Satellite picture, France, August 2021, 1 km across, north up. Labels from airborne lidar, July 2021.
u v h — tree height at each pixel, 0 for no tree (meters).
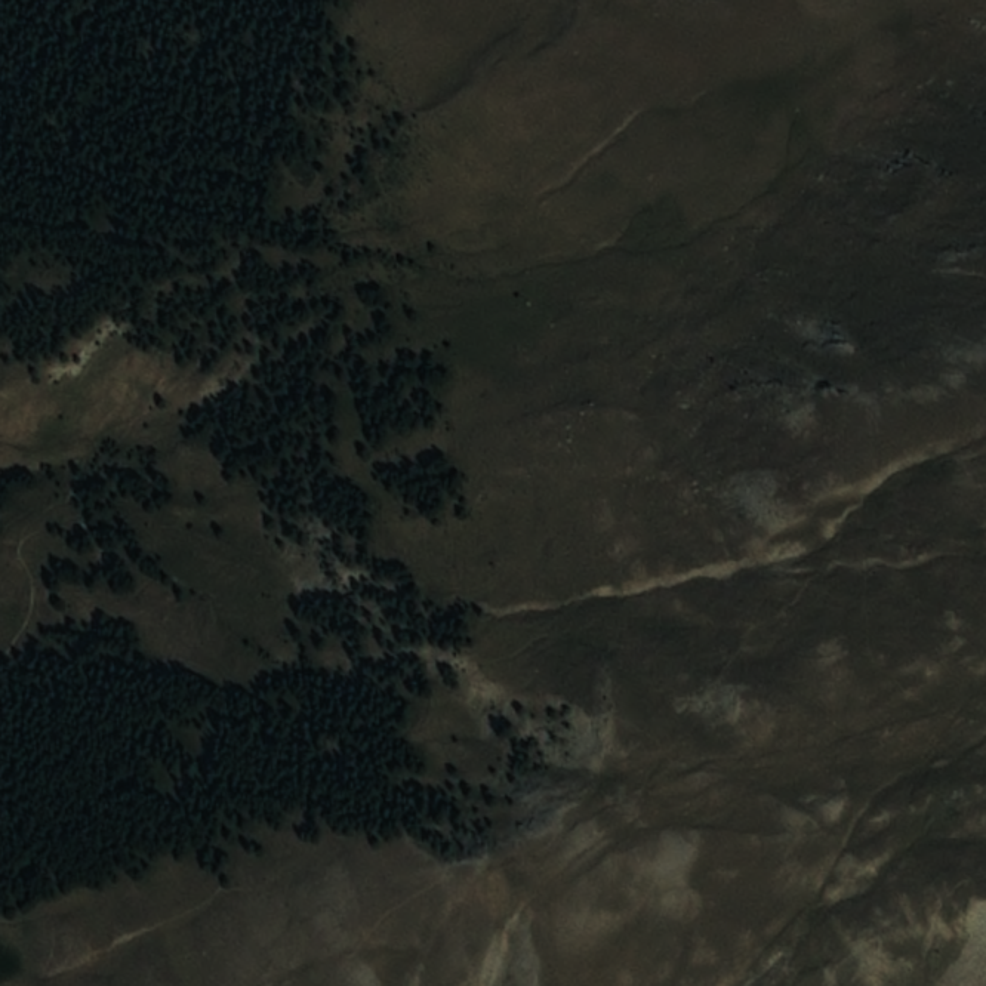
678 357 0
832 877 0
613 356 0
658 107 0
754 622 0
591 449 0
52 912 0
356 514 18
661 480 0
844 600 0
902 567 0
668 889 0
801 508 0
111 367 0
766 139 0
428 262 0
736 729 0
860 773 0
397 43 0
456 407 0
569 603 0
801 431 0
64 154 18
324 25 14
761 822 0
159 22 20
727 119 0
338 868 0
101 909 0
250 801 20
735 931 0
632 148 0
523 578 0
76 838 26
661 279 0
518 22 0
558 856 0
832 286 0
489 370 0
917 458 0
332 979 0
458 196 0
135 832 20
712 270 0
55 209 21
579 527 0
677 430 0
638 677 0
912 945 0
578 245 0
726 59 0
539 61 0
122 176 21
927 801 0
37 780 25
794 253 0
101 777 21
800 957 0
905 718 0
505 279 0
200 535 0
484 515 0
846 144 0
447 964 0
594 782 0
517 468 0
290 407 20
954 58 0
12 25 13
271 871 0
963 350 0
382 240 0
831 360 0
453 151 0
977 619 0
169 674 18
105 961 0
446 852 12
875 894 0
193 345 19
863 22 0
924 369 0
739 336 0
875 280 0
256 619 0
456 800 7
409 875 0
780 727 0
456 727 0
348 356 10
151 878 0
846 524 0
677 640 0
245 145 13
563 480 0
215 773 17
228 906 0
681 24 0
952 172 0
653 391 0
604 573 0
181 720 22
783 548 0
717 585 0
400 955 0
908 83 0
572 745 0
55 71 17
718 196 0
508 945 0
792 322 0
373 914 0
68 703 24
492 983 0
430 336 0
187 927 0
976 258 0
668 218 0
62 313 21
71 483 0
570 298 0
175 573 0
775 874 0
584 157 0
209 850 14
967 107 0
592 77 0
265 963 0
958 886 0
